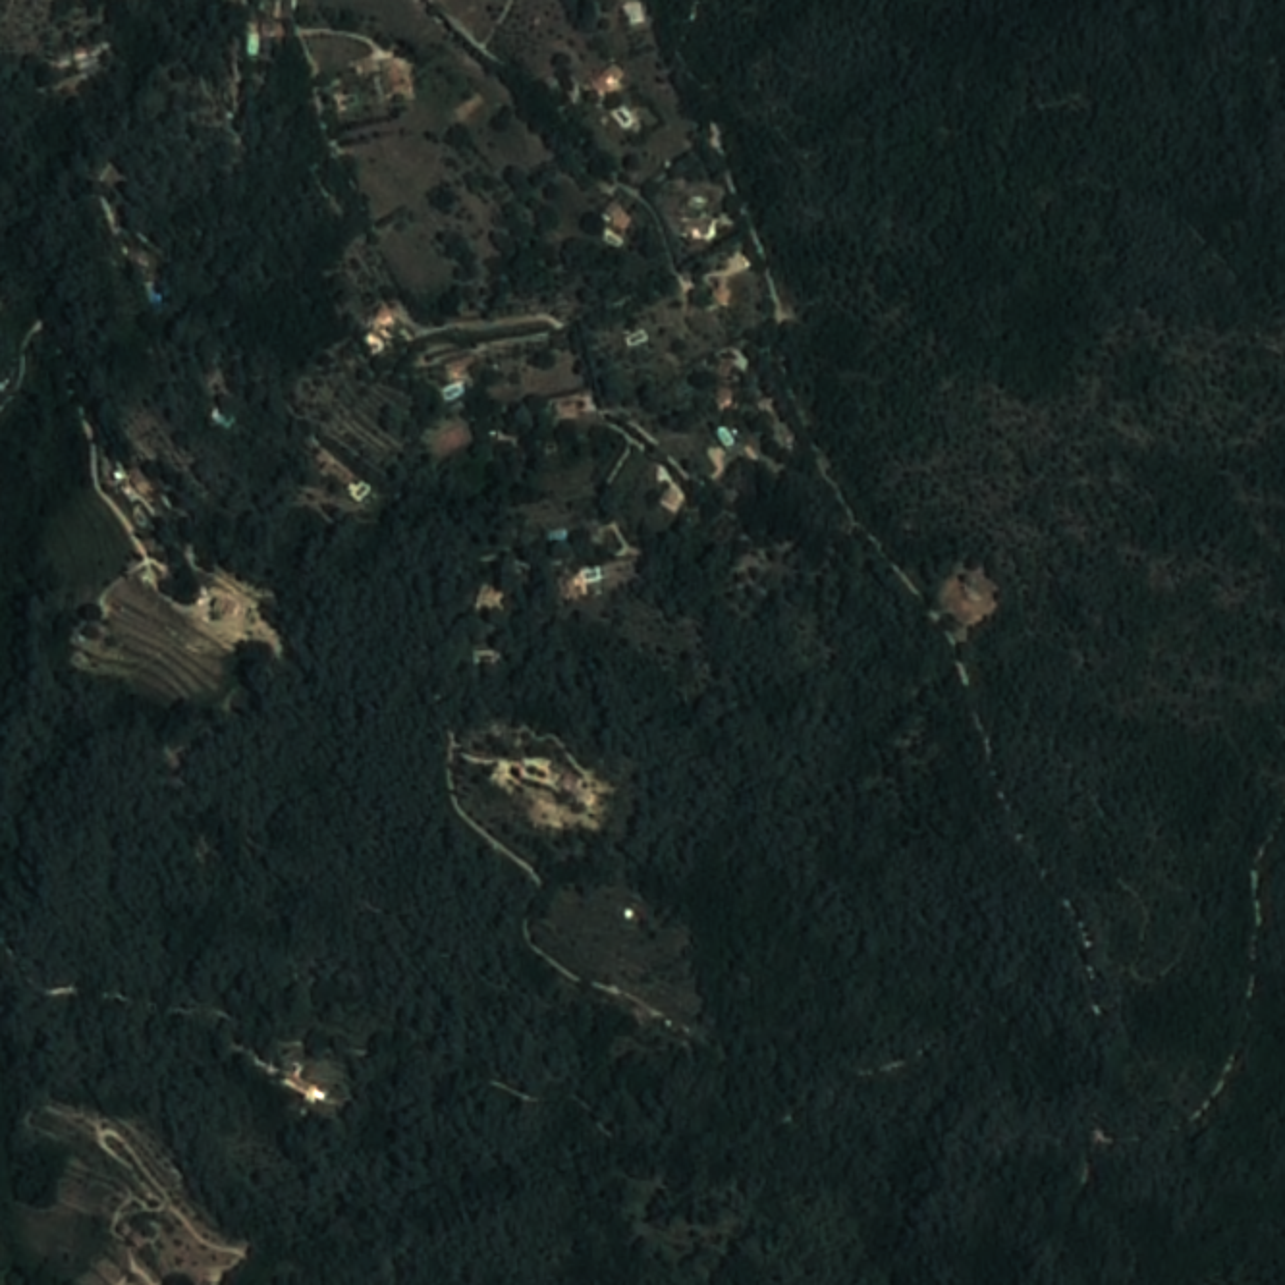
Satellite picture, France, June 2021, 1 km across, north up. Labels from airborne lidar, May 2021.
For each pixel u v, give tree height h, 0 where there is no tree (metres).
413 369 6
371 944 16
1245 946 16
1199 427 12
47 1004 23
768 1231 21
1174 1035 8
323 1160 18
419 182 0
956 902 20
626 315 10
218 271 15
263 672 25
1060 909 16
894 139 14
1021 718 15
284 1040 20
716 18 12
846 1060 16
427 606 16
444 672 18
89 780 20
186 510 22
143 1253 8
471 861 17
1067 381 8
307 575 20
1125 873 8
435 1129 22
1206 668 8
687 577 16
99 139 19
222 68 14
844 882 17
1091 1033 12
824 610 12
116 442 18
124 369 10
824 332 9
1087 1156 15
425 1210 22
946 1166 21
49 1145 15
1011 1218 12
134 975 20
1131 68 7
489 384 16
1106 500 10
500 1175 19
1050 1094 14
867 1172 23
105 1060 13
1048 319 17
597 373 12
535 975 12
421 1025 19
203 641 0
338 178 13
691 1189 18
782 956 11
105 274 11
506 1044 17
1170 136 13
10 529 18
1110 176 10
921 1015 14
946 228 11
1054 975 20
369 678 17
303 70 11
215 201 11
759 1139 14
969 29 17
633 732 15
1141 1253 12
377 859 15
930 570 16
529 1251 21
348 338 8
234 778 22
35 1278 12
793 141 10
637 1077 16
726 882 9
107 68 16
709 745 13
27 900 12
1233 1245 12
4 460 9
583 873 16
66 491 6
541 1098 10
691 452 0
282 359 16
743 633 21
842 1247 23
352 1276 15
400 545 21
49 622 16
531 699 16
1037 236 13
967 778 13
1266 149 19
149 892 18
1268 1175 18
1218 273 14
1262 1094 9
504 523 19
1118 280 14
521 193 13
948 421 13
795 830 15
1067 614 7
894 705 15
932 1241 16
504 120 10
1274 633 8
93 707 27
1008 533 7
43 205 20
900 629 17
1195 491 9
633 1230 22
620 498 19
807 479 15
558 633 17
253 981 18
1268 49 10
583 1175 21
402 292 6
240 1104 19
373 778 18
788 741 18
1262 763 11
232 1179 19
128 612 0
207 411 6
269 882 14
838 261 12
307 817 17
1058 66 12
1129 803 13
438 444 0
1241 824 8
